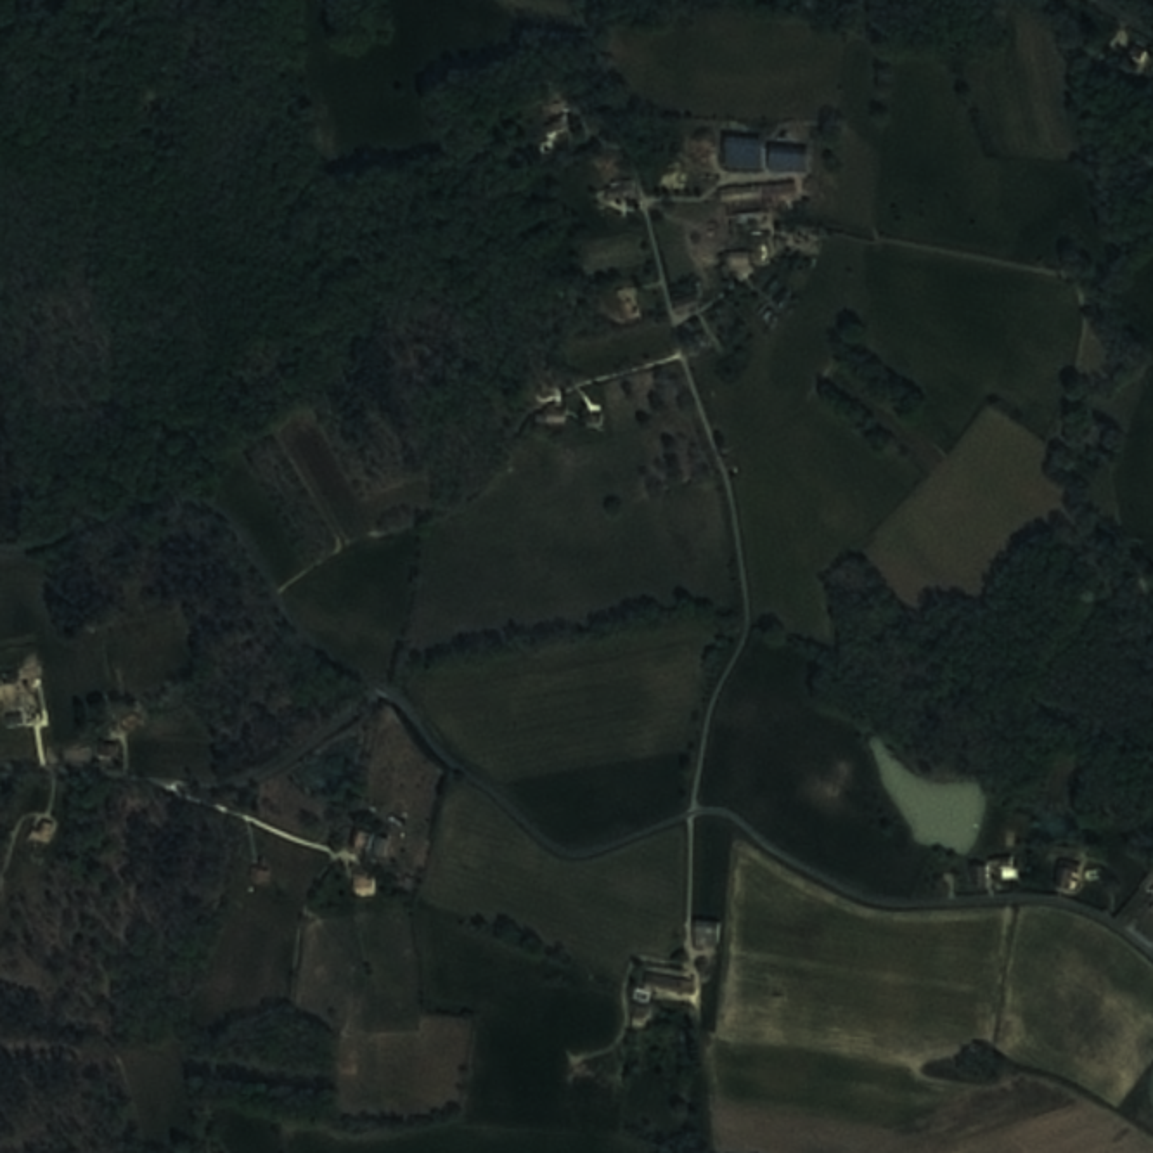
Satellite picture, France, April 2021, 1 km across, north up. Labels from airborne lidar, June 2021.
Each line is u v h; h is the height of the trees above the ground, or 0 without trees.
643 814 0
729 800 0
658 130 11
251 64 21
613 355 0
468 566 0
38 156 23
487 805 0
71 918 10
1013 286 0
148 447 22
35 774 16
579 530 0
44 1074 16
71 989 12
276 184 24
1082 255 19
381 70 0
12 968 10
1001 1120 0
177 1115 0
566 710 0
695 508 0
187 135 22
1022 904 0
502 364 14
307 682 22
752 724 0
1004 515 0
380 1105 0
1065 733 23
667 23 19
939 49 21
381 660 0
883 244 0
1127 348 23
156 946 20
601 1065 0
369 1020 0
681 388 12
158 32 23
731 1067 0
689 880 0
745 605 0
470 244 25
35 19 23
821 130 9
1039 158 0
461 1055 0
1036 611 27
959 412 0
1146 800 23
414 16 0
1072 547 14
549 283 20
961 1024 0
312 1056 21
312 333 14
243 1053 19
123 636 0
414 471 15
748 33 0
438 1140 0
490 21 0
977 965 0
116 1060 0
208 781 0
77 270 21
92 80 20
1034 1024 0
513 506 0
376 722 10
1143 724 15
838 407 15
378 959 0
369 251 25
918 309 0
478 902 0
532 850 0
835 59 0
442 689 0
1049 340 0
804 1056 0
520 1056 0
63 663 0
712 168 0
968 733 21
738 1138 0
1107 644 17
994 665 28
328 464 0
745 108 0
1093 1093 0
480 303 12
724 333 10
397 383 13
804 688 0
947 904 0
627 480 0
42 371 23
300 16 21
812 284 0
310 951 0
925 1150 0
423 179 23
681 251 0
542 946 14
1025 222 0
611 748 0
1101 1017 0
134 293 18
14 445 23
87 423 19
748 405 0
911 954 0
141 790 14
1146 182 18
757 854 0
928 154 0
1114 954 0
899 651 18
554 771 0
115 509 20
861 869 0
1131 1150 0
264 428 22
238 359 17
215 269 16
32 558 11
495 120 20
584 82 19
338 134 0
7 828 7
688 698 0
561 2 0
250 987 0
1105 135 22
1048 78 0
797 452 0
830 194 0
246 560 16
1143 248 19
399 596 0
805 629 0
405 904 6
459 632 0
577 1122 0
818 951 0
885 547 0
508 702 0
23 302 20
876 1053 0
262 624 7
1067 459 15
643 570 0
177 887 13
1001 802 19
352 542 0
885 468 0
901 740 19
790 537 0
